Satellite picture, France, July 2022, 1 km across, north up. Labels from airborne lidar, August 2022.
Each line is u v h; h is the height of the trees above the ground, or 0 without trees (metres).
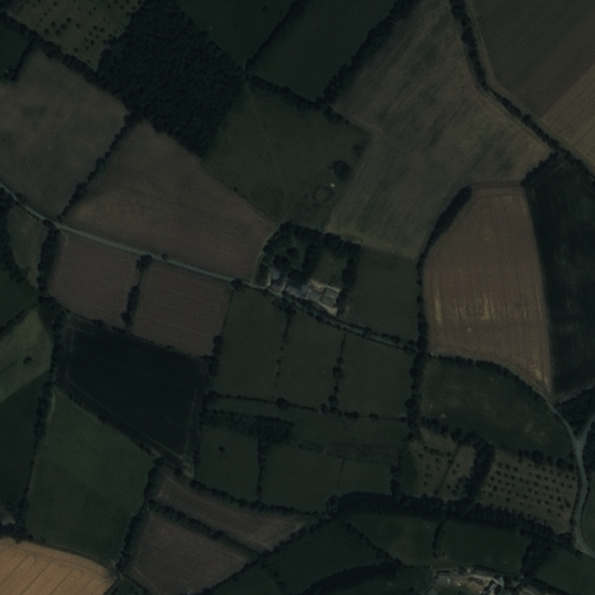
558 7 0
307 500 0
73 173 0
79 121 0
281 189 0
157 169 0
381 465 0
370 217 0
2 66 0
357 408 0
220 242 0
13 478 0
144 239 0
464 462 0
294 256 12
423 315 10
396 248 0
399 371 0
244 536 0
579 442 0
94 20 0
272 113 0
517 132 0
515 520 22
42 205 0
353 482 0
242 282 14
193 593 0
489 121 0
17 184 0
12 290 0
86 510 0
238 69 15
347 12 0
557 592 13
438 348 0
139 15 17
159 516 0
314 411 11
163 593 0
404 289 0
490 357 0
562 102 0
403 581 0
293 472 0
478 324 0
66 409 0
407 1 20
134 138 0
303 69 0
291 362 0
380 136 0
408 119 0
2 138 0
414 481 0
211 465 0
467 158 0
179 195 0
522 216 0
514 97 0
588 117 0
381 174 0
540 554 18
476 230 0
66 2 0
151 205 0
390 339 6
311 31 0
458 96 0
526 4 0
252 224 0
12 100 0
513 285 0
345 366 0
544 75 0
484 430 0
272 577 6
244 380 0
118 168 0
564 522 0
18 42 0
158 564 0
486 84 12
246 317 0
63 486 0
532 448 0
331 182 0
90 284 0
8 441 0
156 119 16
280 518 0
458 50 0
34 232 0
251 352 0
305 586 0
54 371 9
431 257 0
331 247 20
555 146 14
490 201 0
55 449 0
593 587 0
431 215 0
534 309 0
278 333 0
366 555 0
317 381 0
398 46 0
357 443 0
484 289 0
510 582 17
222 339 14
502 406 0
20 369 0
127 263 0
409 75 0
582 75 0
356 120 0
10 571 0
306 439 0
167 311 0
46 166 0
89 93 0
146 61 18
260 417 9
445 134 0
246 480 0
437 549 13
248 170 0
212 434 0
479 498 17
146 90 22
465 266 0
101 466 0
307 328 0
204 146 14
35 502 0
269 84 10
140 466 0
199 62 23
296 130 0
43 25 0
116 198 0
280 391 0
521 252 0
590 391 10
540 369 0
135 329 0
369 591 0
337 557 0
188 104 19
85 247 0
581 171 13
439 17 0
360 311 0
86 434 0
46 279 7
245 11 0
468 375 0
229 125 0
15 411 0
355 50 0
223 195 0
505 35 0
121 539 0
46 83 0
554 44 0
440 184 0
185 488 0
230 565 0
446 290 0
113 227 0
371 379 0
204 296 0
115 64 18
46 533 0
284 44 0
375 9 0
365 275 0
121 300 0
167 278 0
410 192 0
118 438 0
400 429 0
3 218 13
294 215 0
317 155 0
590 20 0
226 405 0
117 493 0
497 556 0
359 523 0
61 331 11
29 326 0
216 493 17
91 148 0
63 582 0
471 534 0
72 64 17
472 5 0
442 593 0
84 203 0
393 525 0
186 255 0
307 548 0
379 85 0
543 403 18
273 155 0
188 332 0
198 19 0
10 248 10
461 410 0
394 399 0
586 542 0
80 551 0
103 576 0
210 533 12
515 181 0
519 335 0
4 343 0
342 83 22
